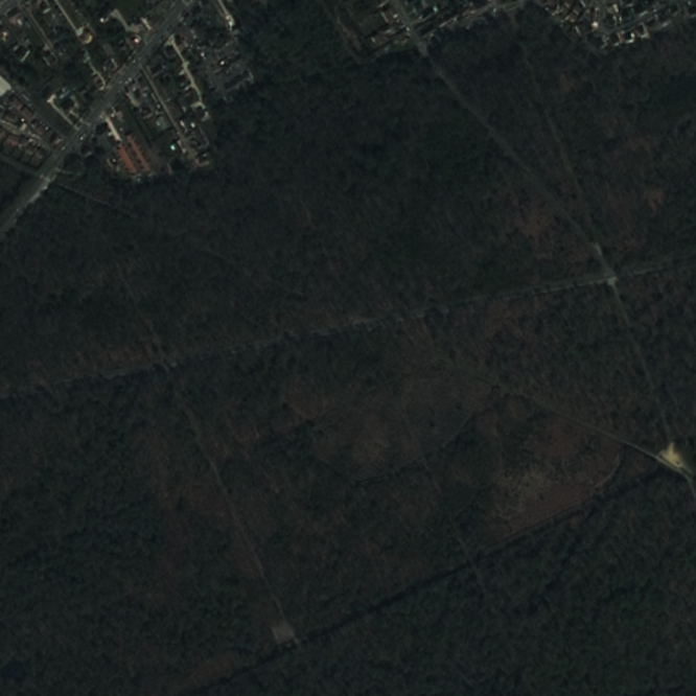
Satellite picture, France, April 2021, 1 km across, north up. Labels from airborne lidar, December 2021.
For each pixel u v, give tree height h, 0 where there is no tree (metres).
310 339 24
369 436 0
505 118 23
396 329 21
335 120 27
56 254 10
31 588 24
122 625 19
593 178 20
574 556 28
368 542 19
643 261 8
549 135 25
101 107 0
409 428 0
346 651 26
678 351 31
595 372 19
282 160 27
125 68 0
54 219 19
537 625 27
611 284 0
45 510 13
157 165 0
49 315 22
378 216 26
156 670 17
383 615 24
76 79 20
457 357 29
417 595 22
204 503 15
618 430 31
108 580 25
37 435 19
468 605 24
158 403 23
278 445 14
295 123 26
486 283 9
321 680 22
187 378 24
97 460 18
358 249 19
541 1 0
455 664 27
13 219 0
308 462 11
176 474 17
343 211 25
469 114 8
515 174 30
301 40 17
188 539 20
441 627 22
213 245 24
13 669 0
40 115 0
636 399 29
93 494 18
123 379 8
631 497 32
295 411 9
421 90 29
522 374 28
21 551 8
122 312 19
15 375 17
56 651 25
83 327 22
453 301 9
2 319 17
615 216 18
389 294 22
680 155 18
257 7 8
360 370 17
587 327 23
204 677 16
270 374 8
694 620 29
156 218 8
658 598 21
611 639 33
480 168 10
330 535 16
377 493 13
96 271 27
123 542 19
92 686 17
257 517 22
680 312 27
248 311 19
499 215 22
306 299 10
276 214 26
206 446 16
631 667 30
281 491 17
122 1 0
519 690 25
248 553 14
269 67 6
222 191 19
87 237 18
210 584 25
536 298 14
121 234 20
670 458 0
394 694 24
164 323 20
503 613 27
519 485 0
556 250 8
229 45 9
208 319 9
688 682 26
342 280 21
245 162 27
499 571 25
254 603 18
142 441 22
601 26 0
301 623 15
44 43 0
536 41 24
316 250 13
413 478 14
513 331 12
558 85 27
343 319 22
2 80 0
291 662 20
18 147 9
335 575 12
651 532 30
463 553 7
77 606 27
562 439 0
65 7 0
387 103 24
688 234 6
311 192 27
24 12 0
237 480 20
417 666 21
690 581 27
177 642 11
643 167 19
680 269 20
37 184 0
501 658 30
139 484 17
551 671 22
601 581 29
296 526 16
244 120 26
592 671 31
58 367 27
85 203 16
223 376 23
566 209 9
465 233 25
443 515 8
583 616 30
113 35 9
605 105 25
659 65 21
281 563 18
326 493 13
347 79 20
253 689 22
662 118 23
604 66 22
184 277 6
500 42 22
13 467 18
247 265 25
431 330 21
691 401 29
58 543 20
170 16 0
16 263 18
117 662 11
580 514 7
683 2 0
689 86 14
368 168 24
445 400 0
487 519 9
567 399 29
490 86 25
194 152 0
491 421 16
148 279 21
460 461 15
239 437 23
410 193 14
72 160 17
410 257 13
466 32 16
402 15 0
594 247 0
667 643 34
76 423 22
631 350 30
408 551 13
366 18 0
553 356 27
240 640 23
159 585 15
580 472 0
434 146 14
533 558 29
